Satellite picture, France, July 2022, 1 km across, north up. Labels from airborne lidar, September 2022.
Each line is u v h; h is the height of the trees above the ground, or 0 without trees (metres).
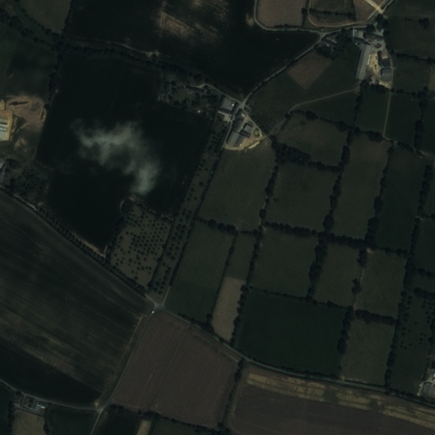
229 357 0
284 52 0
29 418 0
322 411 0
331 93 0
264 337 0
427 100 16
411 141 0
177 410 0
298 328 0
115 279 0
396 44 0
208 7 0
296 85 0
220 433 10
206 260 0
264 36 0
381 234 0
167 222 9
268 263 0
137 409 0
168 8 0
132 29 0
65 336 0
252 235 6
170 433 0
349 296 0
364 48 0
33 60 0
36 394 0
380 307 0
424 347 0
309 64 0
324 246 25
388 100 0
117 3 0
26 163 0
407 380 0
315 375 10
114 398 0
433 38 0
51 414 0
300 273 0
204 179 0
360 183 0
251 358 8
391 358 13
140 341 0
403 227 0
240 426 0
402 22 0
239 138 0
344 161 15
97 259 10
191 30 0
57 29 0
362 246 16
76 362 0
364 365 0
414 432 0
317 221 0
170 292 0
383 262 0
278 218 0
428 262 0
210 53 0
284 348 0
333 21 0
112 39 0
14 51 0
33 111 0
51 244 0
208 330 13
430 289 0
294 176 0
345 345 17
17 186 7
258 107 0
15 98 0
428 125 0
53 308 0
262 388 0
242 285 0
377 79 0
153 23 0
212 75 0
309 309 0
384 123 0
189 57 0
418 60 11
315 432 0
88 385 0
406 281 14
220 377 0
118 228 13
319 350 0
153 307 0
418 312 0
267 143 0
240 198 0
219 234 0
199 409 0
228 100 0
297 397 0
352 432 0
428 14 0
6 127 8
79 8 0
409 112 0
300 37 0
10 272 0
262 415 0
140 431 0
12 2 0
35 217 0
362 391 0
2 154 0
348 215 0
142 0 0
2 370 0
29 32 6
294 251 0
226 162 0
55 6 0
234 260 0
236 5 0
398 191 0
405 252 12
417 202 0
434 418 0
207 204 0
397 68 0
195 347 0
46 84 0
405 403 0
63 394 0
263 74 0
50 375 0
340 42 11
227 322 0
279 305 0
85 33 0
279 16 0
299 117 0
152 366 0
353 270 0
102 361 0
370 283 0
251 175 0
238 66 0
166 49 0
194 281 0
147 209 6
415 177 0
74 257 0
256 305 0
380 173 0
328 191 0
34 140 0
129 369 0
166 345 0
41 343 0
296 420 0
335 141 0
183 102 9
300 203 0
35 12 0
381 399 0
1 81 0
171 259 9
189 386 0
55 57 0
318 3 0
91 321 0
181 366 0
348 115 0
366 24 0
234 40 0
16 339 0
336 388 0
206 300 0
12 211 0
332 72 0
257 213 0
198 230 0
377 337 0
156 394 0
